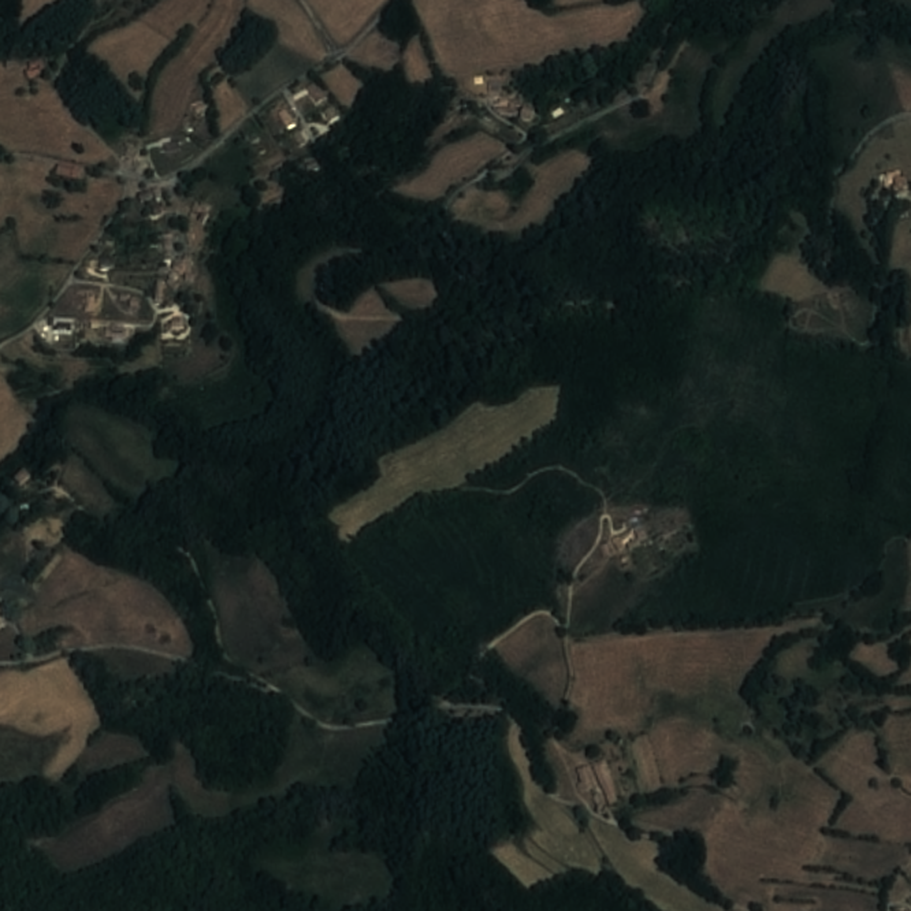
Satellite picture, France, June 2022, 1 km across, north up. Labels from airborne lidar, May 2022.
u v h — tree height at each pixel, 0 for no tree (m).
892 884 12
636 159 18
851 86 0
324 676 0
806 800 0
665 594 0
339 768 0
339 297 27
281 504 23
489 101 0
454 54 0
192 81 0
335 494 25
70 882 13
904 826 0
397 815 16
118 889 15
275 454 28
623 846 0
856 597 15
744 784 0
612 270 28
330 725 0
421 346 21
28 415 0
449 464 0
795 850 0
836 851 0
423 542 0
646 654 0
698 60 0
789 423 0
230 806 0
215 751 20
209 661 13
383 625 21
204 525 18
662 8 24
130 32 0
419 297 0
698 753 0
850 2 14
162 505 19
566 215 24
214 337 18
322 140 11
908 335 0
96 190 0
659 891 0
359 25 0
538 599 0
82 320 0
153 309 0
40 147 0
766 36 0
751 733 0
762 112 23
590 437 11
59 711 0
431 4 0
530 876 0
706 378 0
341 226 24
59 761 0
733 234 19
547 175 0
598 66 13
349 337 0
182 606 13
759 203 23
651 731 0
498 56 0
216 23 0
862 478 10
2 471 17
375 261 29
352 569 21
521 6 0
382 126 22
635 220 26
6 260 0
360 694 0
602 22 0
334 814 21
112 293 0
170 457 11
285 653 0
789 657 0
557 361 10
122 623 0
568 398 10
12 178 0
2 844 10
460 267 22
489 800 35
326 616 24
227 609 0
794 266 0
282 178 16
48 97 0
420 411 22
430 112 20
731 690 0
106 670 18
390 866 14
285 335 42
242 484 21
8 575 0
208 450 18
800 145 20
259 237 25
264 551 14
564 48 0
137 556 17
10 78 0
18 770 0
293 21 0
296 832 18
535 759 18
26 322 0
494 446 0
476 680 13
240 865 16
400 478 0
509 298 22
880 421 9
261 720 15
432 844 6
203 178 14
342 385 34
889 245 14
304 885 0
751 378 0
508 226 0
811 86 24
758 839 0
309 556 25
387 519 16
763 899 0
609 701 0
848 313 0
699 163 22
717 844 0
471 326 18
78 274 9
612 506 0
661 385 6
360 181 12
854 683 8
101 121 25
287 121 0
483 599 0
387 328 0
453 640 12
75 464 0
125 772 15
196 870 12
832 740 7
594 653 0
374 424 31
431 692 18
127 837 0
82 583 0
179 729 18
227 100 0
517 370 19
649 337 9
